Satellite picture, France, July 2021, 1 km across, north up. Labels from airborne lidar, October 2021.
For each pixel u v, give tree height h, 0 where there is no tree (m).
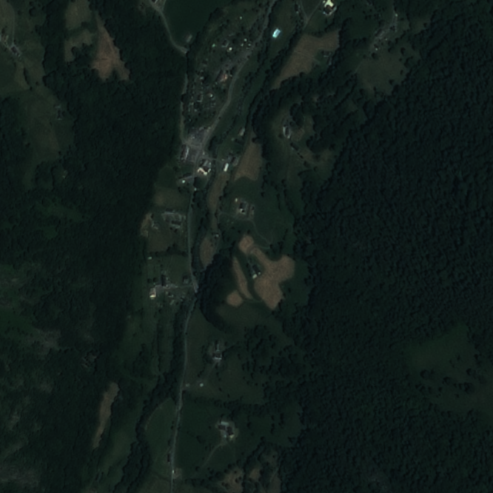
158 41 19
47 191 11
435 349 0
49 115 0
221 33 8
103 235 20
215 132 0
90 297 16
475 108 27
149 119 30
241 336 0
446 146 25
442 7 10
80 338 12
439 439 16
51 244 18
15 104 30
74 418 21
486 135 21
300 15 8
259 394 0
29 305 12
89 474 9
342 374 12
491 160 17
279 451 13
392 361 9
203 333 0
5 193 18
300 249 17
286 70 0
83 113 27
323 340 11
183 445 0
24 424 16
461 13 12
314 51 0
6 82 0
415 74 10
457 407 0
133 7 15
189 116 12
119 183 21
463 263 11
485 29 12
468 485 22
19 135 32
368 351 16
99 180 15
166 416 0
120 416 23
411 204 14
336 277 13
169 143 8
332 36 0
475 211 12
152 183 24
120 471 0
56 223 13
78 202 16
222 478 12
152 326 0
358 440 17
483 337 13
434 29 19
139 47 16
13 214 16
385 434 15
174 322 6
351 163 18
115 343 21
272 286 0
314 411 15
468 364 0
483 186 26
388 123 12
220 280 24
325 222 19
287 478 9
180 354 11
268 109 25
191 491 0
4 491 7
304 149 0
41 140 0
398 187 17
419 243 11
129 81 7
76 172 20
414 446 21
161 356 7
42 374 11
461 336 0
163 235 0
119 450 0
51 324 16
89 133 32
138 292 0
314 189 15
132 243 28
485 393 0
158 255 14
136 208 25
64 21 19
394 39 0
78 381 21
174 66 10
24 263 18
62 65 18
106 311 25
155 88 14
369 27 0
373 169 13
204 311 24
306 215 9
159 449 0
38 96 0
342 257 12
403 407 18
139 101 23
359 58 0
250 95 0
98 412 23
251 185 0
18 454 12
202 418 0
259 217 0
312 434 25
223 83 0
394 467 11
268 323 0
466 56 22
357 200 18
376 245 17
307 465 19
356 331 15
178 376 20
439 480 14
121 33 16
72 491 24
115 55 0
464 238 19
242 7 0
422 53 10
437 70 13
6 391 9
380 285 6
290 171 0
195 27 0
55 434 22
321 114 8
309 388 22
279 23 0
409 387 14
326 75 9
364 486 6
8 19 0
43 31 18
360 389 8
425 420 20
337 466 21
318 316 20
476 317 15
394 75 0
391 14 0
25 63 0
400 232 7
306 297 0
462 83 19
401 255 16
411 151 26
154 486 0
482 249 15
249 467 17
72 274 18
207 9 0
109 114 30
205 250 0
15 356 11
